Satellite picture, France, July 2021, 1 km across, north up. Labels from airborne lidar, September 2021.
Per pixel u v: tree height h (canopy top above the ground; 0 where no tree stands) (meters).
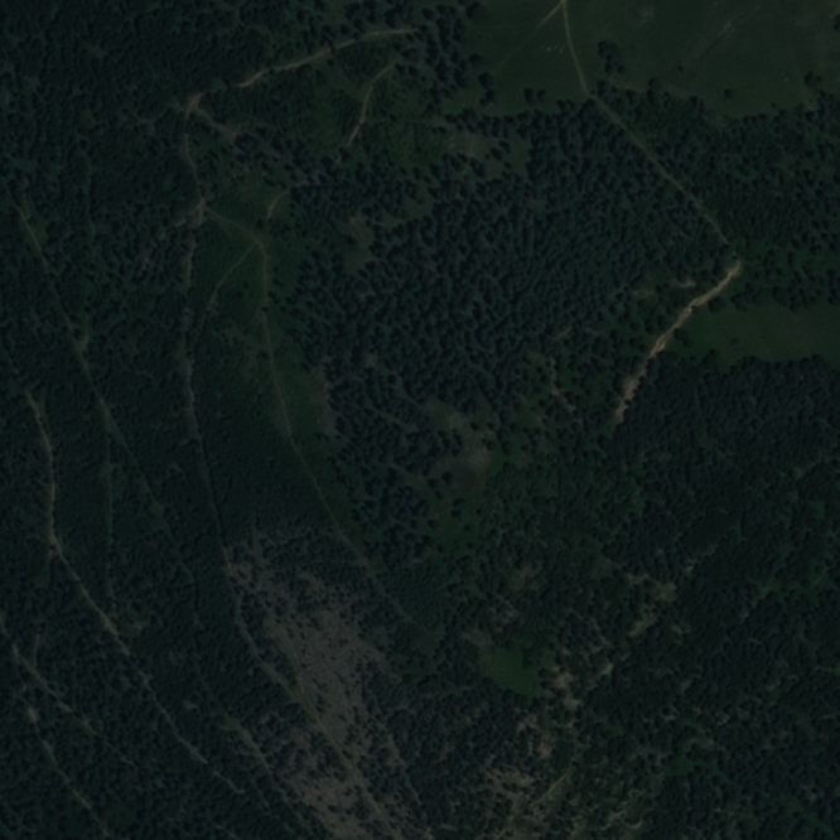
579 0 0
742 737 10
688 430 24
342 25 0
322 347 28
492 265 18
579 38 0
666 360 26
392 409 28
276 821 17
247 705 14
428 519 25
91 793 8
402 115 7
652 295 0
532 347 27
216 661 14
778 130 12
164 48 16
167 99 12
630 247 22
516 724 26
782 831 24
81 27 17
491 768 23
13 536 11
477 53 0
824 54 0
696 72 0
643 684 12
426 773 18
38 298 17
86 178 16
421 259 24
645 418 23
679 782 24
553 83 0
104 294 9
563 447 8
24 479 9
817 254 25
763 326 0
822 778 27
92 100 8
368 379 22
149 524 10
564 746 8
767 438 16
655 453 18
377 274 27
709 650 14
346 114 7
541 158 30
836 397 22
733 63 0
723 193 9
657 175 8
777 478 21
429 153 6
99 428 10
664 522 20
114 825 10
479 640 7
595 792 8
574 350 19
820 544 21
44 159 13
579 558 15
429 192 0
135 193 13
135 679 31
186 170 15
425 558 27
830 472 18
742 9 0
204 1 19
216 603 17
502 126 28
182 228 7
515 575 10
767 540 14
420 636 12
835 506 13
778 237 11
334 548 9
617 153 31
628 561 27
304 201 32
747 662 18
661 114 7
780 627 7
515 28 0
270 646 24
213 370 8
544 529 14
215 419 12
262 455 11
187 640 17
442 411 0
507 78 0
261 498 16
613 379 11
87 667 16
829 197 23
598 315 24
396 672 13
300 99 8
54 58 16
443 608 11
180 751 12
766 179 17
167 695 13
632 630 28
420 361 23
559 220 24
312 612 20
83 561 8
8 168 27
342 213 32
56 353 15
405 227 18
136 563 9
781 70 0
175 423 10
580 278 15
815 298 14
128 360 8
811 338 0
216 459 10
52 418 10
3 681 11
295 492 12
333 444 24
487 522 10
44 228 0
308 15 20
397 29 31
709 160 8
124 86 14
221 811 18
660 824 26
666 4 0
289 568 19
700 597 17
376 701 18
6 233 17
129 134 14
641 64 0
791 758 24
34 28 9
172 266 11
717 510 22
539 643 11
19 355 15
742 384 25
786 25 0
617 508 20
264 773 16
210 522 19
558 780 6
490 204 13
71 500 12
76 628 8
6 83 17
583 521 13
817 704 23
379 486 22
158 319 6
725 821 33
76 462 7
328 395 0
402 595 8
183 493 14
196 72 11
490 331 25
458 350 25
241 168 7
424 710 16
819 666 8
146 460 13
